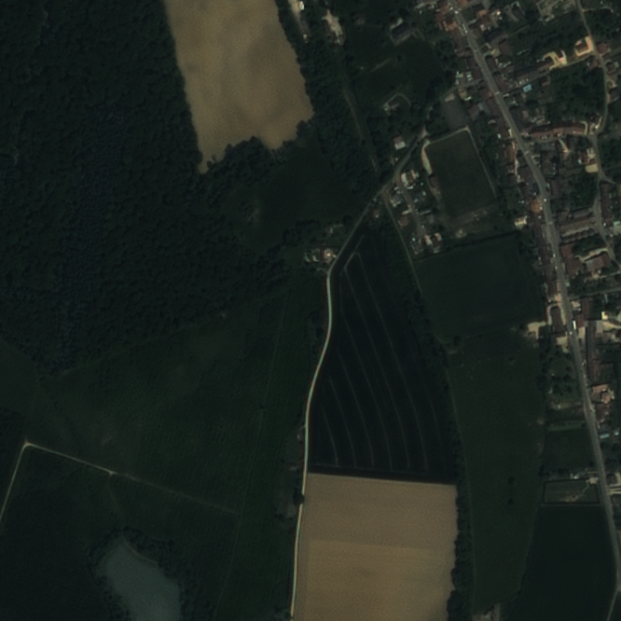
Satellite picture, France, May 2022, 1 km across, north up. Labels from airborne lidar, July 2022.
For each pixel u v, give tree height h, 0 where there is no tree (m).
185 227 30
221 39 0
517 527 0
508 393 0
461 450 15
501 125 0
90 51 31
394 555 0
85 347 22
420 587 0
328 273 0
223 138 0
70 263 24
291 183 0
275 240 0
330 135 21
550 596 0
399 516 0
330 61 12
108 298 25
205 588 9
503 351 0
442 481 0
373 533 0
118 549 0
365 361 0
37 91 28
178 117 24
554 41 15
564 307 0
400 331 0
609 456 0
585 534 0
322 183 0
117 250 29
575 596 0
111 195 26
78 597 7
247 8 0
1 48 32
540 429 0
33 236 32
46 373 7
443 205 0
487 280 0
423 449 0
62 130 30
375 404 0
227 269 30
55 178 28
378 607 0
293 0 0
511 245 0
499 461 0
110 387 6
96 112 25
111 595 7
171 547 17
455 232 0
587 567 0
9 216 30
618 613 0
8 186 23
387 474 0
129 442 0
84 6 27
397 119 9
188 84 0
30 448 0
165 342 7
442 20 0
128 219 30
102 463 0
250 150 14
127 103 28
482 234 0
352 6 0
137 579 0
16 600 6
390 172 16
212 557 5
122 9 32
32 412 0
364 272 0
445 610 0
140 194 27
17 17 30
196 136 15
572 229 0
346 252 0
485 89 0
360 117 0
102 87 28
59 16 29
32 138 30
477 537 0
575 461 0
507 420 0
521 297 0
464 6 0
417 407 0
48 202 30
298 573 0
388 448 0
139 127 27
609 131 6
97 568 13
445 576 0
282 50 0
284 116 0
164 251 30
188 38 0
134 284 28
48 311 25
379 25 6
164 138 29
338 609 0
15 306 25
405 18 21
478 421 0
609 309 11
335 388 0
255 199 0
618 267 13
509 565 0
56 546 6
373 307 0
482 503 0
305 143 0
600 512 0
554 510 0
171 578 16
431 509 0
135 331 29
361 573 0
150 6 28
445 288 0
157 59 26
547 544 0
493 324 0
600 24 7
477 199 0
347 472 0
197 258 29
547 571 0
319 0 0
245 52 0
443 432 0
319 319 26
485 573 0
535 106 13
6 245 28
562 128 0
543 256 0
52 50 30
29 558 6
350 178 27
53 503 6
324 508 0
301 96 0
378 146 15
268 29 0
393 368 0
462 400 0
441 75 0
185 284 27
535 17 11
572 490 0
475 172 0
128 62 30
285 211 0
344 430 0
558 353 8
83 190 25
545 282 6
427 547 0
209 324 7
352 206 0
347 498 0
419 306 16
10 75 28
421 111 18
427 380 0
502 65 0
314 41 7
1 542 6
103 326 27
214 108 0
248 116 0
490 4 0
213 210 18
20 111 28
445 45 8
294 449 0
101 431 0
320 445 0
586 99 7
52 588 6
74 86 33
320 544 0
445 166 0
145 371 6
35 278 22
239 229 0
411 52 0
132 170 30
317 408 0
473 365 0
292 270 17
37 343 24
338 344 0
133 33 26
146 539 16
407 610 0
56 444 0
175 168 27
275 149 0
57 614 6
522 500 0
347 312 0
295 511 0
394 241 7
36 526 7
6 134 28
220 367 7
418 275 0
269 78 0
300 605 0
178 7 0
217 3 0
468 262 0
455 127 0
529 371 0
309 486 0
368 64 0
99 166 24
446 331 0
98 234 27
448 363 23
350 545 0
